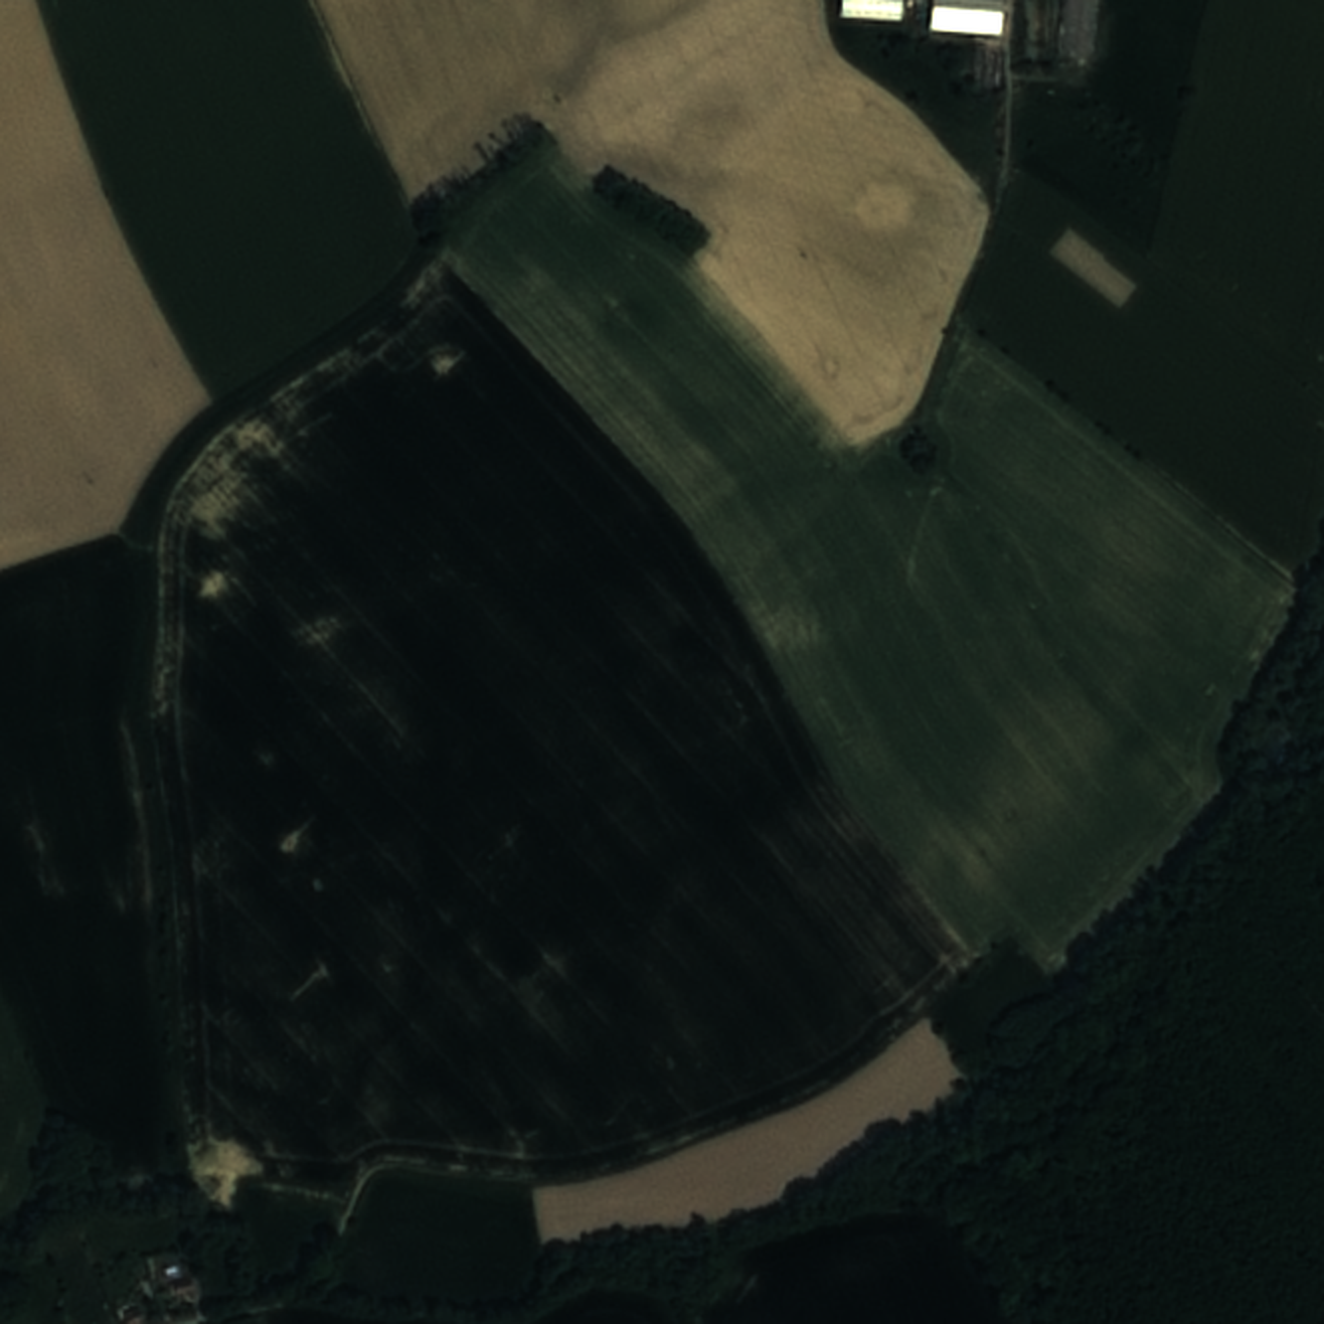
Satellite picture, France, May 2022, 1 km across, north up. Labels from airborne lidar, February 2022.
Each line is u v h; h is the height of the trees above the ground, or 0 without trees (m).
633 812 0
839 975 0
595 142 0
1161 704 0
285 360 0
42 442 0
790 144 0
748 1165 0
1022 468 0
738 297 0
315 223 0
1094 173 0
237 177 0
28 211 0
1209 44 0
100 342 0
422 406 0
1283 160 0
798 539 0
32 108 0
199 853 0
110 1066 0
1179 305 0
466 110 0
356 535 0
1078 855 0
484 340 0
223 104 0
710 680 0
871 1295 0
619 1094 0
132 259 0
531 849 0
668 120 0
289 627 0
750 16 0
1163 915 13
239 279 0
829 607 0
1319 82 0
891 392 0
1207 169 0
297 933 0
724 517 0
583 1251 13
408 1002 0
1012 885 0
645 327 0
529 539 0
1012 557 0
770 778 0
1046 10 0
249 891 0
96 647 0
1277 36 0
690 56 0
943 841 0
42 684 0
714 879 0
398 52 0
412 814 0
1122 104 0
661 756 0
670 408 0
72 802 0
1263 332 0
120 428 0
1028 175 0
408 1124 0
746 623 0
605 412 0
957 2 0
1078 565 0
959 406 0
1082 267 0
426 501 0
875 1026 0
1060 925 0
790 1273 0
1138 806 0
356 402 0
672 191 0
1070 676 0
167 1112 0
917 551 0
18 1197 0
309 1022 0
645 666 0
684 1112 0
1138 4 0
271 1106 0
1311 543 0
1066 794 0
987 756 0
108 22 0
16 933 0
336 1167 0
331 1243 20
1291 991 15
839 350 0
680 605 0
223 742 0
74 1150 22
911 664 0
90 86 0
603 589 0
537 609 0
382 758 0
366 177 0
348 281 0
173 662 0
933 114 0
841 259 0
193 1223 18
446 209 25
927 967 0
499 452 0
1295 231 0
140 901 0
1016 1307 22
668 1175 0
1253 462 0
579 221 0
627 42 0
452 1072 0
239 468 0
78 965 0
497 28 0
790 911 0
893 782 0
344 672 0
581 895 0
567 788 0
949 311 0
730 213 0
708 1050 0
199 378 0
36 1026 0
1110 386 0
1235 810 20
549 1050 0
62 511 0
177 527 0
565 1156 0
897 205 0
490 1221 0
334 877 0
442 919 0
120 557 0
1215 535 0
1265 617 0
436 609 0
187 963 0
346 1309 16
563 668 0
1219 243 0
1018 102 0
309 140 0
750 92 0
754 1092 0
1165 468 0
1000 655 0
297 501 0
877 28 0
